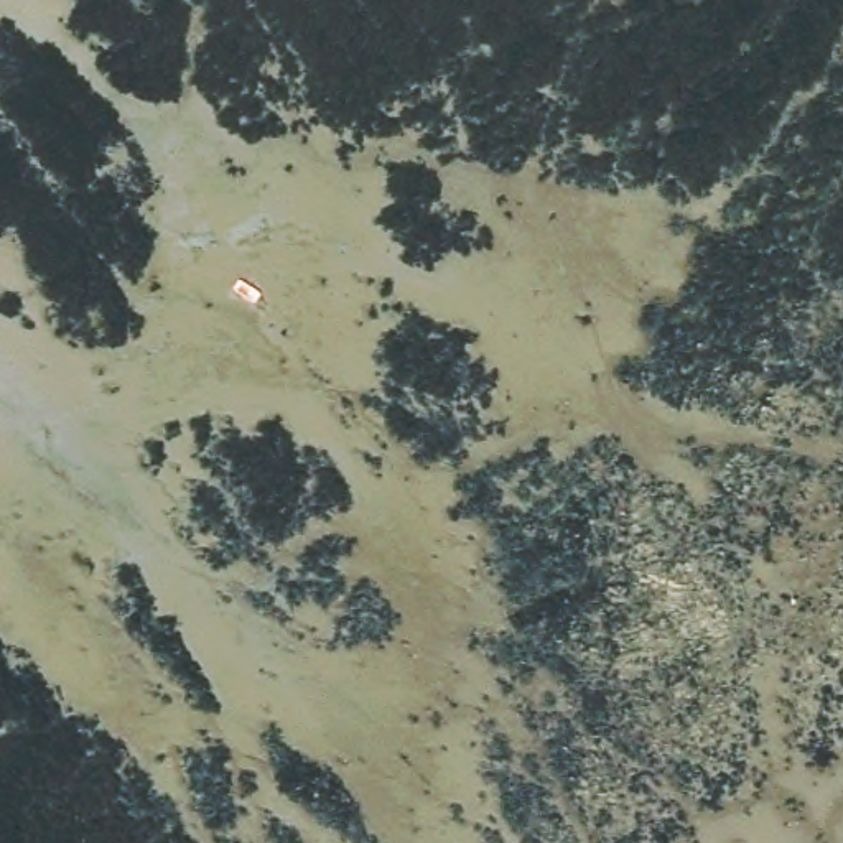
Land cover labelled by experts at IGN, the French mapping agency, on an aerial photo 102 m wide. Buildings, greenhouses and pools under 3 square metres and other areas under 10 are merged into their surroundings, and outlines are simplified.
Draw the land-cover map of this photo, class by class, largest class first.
<instances>
[{"label":"bare soil","instance_id":"1","mask_svg":"<svg viewBox=\"0 0 843 843\"><path fill-rule=\"evenodd\" d=\"M76 0H0V20H13L16 30H23L36 43H53L92 86V92L119 112L128 132L105 151V165H99L95 175L115 178L122 204L142 214V221L155 231V250L138 280H128V273L119 263L112 267V280L125 293L128 306L145 319L142 333L125 339L122 346L105 342V323L99 310H89L86 316H66L63 310L56 313L53 303L43 296L40 283L26 273L20 237L13 231L0 234V642L10 668H40L66 718L89 715L99 721L102 731L125 744L135 764L151 777V787L175 800L184 833L194 843H843V392L830 385V375L823 369H813V375L797 389L780 385L774 392L771 405L761 408L757 425H738L711 408H672L652 392H632L616 375L622 356L649 352V339L639 329V313L652 300L672 303L678 296L688 277L692 244L711 227L744 231L757 224L751 211L731 207L728 198L754 178H777V168L764 161L777 148L780 132L794 122V115L807 102L823 95L827 82L817 79L807 89H797L784 102L771 132L754 145L751 161L741 171L721 168L718 184L695 201H665L652 184L606 194L596 188H576L563 181H540V161L533 158H527L524 168L514 175H497L481 161L445 165L435 148L422 145L418 128H405L392 138H366L362 151L352 155V165L342 168L333 128L323 125V119L310 105H263L283 122V135L244 142L217 122L214 109L194 86V69H181V99L175 102H145L132 92L115 89L109 76L95 66V56L109 49V40L89 33L76 40L69 33V13ZM392 161H412L435 171L441 181L445 204L451 211H474V217L491 227L494 247L471 254H445L431 270L405 263L402 244L379 224V214L392 204L385 184V171ZM392 303H412L428 319L477 333V339L468 346V356L481 359L484 369L497 372L491 405L477 418L507 422V435H494L484 441L464 438V461L448 464L441 458L431 464H418L412 458V445L398 441L379 412L362 408V392L379 389L389 372V366L375 362V352L382 336L402 323L395 313H382V306ZM198 415H211L214 431L237 428L247 438L257 435L260 422L280 418L296 445L319 448L333 458L352 494L349 510H333L323 520L313 517L303 530L290 533L286 540L267 543V560L260 566L237 560L224 570H214L204 560V550L217 547V537L204 533L201 520L191 517V494L207 474V468L194 461L191 418ZM537 438L550 441V458L540 464L543 484H533L530 497L520 501L517 487L520 481H527V471L517 468L510 477L494 481V487L501 491V504L514 510H530L540 497H547L550 514L560 517L566 514V504L573 497H586L589 491L606 484L609 497L599 501V517H589V527L609 530L616 543L629 547L619 553H596L593 560H586L589 566H609L606 593L593 599V612L573 616L570 632L560 639H543L547 619L520 629L510 626L507 596L481 560L497 547L494 537L477 520L448 517V507L458 501V477L474 474L494 458L527 451ZM333 533L356 537V550L336 560V570L346 576L339 596H333L326 606L290 603L286 593L277 586L280 570H290V580H296L300 553L319 537ZM122 563L142 570L145 586L155 599V612L178 619V632L191 659L201 665L214 698L221 701L217 711H198L188 701L184 685L158 665L151 649L128 636L125 622L135 612V599L119 583ZM221 741L231 748L227 771H250L257 790L250 797H231L234 807L247 810L244 817H237L234 827L207 830L204 817L198 813L201 794L188 787L184 751L217 748ZM290 751H300L303 757L329 767L359 803V813L342 833L319 823L300 803L280 794L273 767Z\"/></svg>","mask_w":843,"mask_h":843},{"label":"herbaceous vegetation","instance_id":"2","mask_svg":"<svg viewBox=\"0 0 843 843\"><path fill-rule=\"evenodd\" d=\"M69 33L76 40L89 33L109 40V49L95 56V66L109 76L115 89L132 92L145 102H175L181 99V69H194V86L214 109L217 122L244 142L283 135V122L263 105H310L323 119V125L333 128L342 168L352 165V155L362 151L366 138H392L405 128H418L422 145L435 148L445 165L481 161L497 175H514L524 168L527 158H533L540 161V181H563L576 188H596L606 194L652 184L665 201H695L718 184L721 168L741 171L751 161L754 145L771 132L784 102L797 89H807L817 79L827 82L823 95L807 102L794 115V122L780 132L777 148L764 161L777 168V178H754L728 198L731 207L751 211L757 224L744 231L711 227L692 244L688 277L678 296L672 303L652 300L639 313V329L649 339V352L622 356L616 375L632 392H652L672 408H711L738 425H757L761 408L771 405L774 392L780 385L797 389L813 375V369H823L830 375V385L843 392V0H76L69 13ZM128 132L119 112L92 92V86L53 43H36L23 30H16L13 20H0V234L13 231L20 237L26 273L40 283L43 296L53 303L56 313L63 310L66 316H86L89 310H99L105 323V342L122 346L125 339L142 333L145 319L128 306L125 293L112 280V267L119 263L128 273V280H138L155 250V231L142 221V214L122 204L115 178L95 175L99 165H105V151ZM385 184L392 204L379 214V224L402 244L405 263L431 270L445 254H471L494 247L491 227L474 217V211H451L445 204L441 181L435 171L412 161H392L385 171ZM382 313H395L402 323L382 336L375 352V362L389 366V372L379 389L362 392V408L379 412L398 441L412 445V458L418 464H431L441 458L448 464L464 461V438L484 441L494 435H507V422L477 418L491 405L497 372L484 369L481 359L468 356V346L477 339V333L428 319L412 303H392L382 306ZM194 461L207 468V474L191 494V517L201 520L204 533L217 537V547L204 550V560L214 570H224L237 560L260 566L267 560V543L286 540L290 533L303 530L313 517L323 520L333 510H349L352 494L333 458L319 448L296 445L280 418L260 422L257 435L247 438L237 428L214 431L211 415H198L191 418ZM550 458V441L537 438L527 451L494 458L474 474L458 477V501L448 507V517L477 520L494 537L497 547L481 560L507 596L510 626L520 629L547 619L543 639H560L570 632L573 616L593 612V599L606 593L609 566H589L586 560H593L596 553H619L629 547L616 543L609 530L589 527V517H599V501L609 497L606 484L589 491L586 497H573L566 504V514L560 517L550 514L547 497H540L530 510H514L501 504V491L494 487V481L510 477L517 468L527 471V481H520L517 487L520 501L530 497L533 484H543L540 464ZM356 550V537L333 533L319 537L300 553L296 580H290V570H280L277 586L286 593L290 603L326 606L333 596H339L346 576L336 570V560ZM119 583L135 599V612L125 622L128 636L151 649L158 665L184 685L188 701L198 711H217L221 701L214 698L201 665L191 659L178 632V619L155 612V599L145 586L142 570L122 563ZM0 843H194L184 833L175 800L151 787V777L135 764L125 744L102 731L99 721L89 715L66 718L40 668H10L0 642ZM231 748L221 741L217 748L184 751L188 787L201 794L198 813L204 817L207 830L234 827L237 817H244L247 810L234 807L231 797H250L257 790L250 771H227ZM280 794L300 803L319 823L342 833L359 813V803L329 767L303 757L300 751H290L273 767Z\"/></svg>","mask_w":843,"mask_h":843}]
</instances>
